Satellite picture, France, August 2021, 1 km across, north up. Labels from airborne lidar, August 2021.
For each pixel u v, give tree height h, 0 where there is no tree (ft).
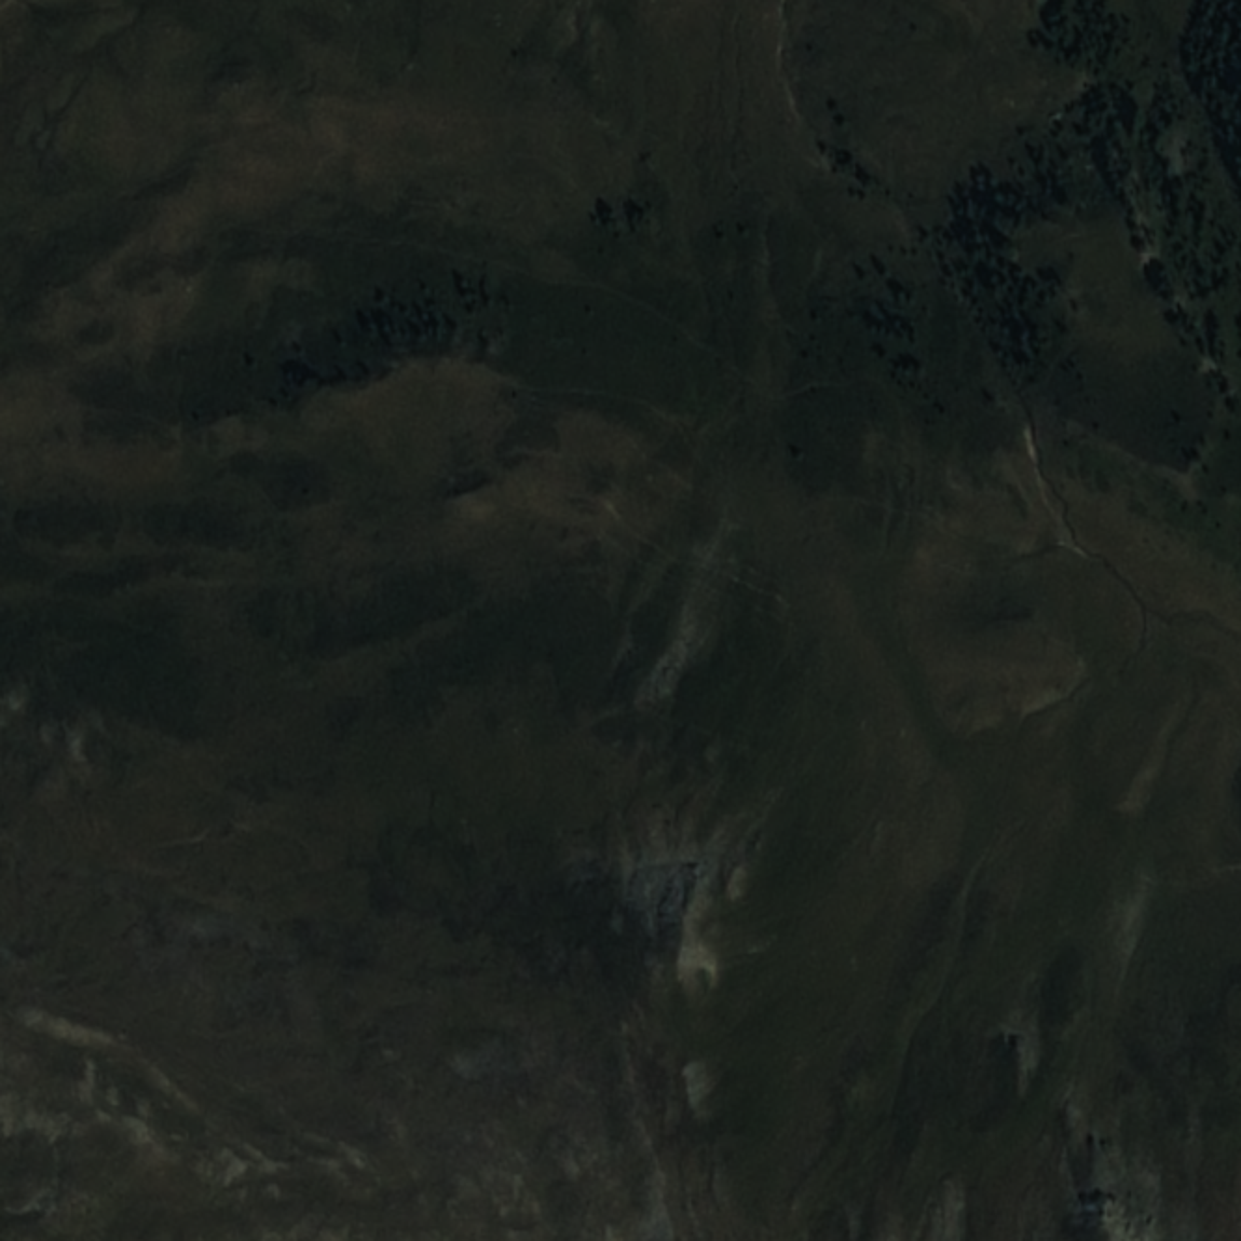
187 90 0
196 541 0
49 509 0
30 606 0
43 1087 0
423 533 0
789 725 0
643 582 0
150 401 0
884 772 0
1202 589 0
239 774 0
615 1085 0
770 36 0
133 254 0
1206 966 0
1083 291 0
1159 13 0
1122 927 0
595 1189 0
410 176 0
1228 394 34
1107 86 31
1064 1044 0
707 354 0
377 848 0
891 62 0
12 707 0
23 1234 0
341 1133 0
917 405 0
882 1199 0
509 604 0
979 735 0
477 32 0
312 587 0
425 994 0
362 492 0
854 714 0
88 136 0
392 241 0
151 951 0
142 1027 0
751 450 0
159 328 0
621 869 0
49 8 0
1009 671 0
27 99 0
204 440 0
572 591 0
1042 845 0
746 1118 0
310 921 0
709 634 0
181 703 0
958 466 0
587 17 0
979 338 0
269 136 0
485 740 0
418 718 0
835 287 0
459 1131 0
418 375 0
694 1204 0
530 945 0
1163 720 0
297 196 0
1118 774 0
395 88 0
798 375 0
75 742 0
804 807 0
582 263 0
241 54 0
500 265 0
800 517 0
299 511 0
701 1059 0
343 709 0
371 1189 0
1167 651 0
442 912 0
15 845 0
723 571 0
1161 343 0
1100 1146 0
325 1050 0
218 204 0
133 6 0
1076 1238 0
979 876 0
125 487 0
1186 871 0
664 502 0
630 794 0
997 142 0
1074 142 0
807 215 0
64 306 0
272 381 0
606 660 0
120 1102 0
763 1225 0
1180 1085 0
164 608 0
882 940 0
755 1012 0
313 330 0
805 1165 0
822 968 0
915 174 0
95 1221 0
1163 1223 0
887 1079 0
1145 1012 0
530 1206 0
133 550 0
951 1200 0
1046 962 0
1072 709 0
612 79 0
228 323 0
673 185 0
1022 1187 0
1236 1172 0
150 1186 0
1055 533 0
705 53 0
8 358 0
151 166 0
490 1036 0
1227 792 0
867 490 0
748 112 0
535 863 0
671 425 0
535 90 0
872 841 0
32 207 0
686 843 0
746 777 0
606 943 0
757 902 0
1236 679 0
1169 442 0
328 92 0
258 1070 0
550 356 0
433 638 0
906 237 0
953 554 0
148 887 0
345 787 0
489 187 0
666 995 0
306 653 0
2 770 0
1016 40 0
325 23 0
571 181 0
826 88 0
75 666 0
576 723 0
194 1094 0
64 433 0
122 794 0
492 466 0
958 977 0
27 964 0
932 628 0
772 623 0
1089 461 0
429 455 0
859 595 0
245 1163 0
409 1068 0
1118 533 0
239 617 0
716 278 0
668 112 0
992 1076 0
